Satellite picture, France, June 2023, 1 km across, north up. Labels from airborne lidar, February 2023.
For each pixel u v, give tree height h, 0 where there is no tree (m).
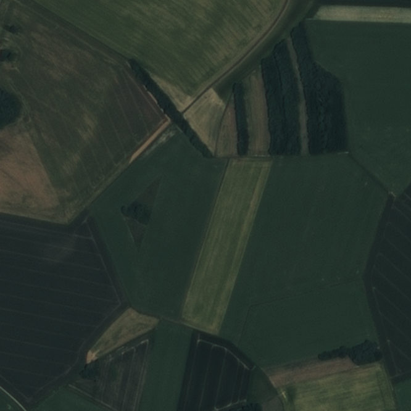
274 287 0
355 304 0
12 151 0
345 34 0
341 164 0
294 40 10
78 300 0
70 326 0
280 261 0
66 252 0
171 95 0
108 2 0
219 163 0
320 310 0
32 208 0
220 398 0
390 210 0
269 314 0
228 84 0
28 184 0
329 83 18
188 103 0
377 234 0
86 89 0
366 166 0
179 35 0
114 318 0
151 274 0
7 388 0
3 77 0
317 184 0
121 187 0
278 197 0
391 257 0
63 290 0
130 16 0
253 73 0
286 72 16
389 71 0
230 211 0
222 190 0
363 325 0
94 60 0
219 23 0
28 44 0
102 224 0
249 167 0
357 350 10
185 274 0
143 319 0
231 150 0
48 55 0
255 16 0
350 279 0
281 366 0
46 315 0
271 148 9
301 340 0
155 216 0
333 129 12
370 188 0
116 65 0
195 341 0
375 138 0
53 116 0
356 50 0
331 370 0
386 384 0
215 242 0
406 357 0
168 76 0
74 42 0
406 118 0
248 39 0
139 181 0
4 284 0
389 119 0
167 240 0
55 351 0
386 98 0
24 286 0
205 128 0
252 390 0
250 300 0
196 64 0
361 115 0
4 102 18
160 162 0
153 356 0
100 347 0
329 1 0
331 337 0
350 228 0
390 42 0
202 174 0
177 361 0
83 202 0
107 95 0
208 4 0
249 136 10
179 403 0
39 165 0
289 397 0
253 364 0
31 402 0
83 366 0
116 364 0
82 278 0
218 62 0
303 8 0
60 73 0
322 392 0
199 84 0
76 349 0
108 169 0
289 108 19
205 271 0
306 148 0
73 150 0
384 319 0
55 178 0
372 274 0
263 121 0
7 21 0
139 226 0
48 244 0
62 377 0
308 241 0
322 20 0
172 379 0
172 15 0
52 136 0
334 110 13
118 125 0
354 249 0
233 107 0
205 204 0
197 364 0
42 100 0
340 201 0
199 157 0
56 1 0
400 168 0
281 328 0
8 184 0
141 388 0
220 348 0
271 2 0
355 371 0
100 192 0
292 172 0
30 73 0
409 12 0
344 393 0
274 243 0
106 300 0
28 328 0
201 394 0
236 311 0
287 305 0
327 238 0
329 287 0
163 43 0
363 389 0
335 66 0
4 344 0
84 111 0
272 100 17
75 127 0
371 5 0
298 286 0
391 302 0
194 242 0
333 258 0
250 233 0
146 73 13
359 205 0
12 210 0
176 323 0
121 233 0
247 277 0
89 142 0
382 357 12
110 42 0
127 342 0
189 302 0
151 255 0
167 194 0
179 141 0
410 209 0
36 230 0
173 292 0
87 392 0
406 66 0
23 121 0
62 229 0
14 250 0
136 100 0
